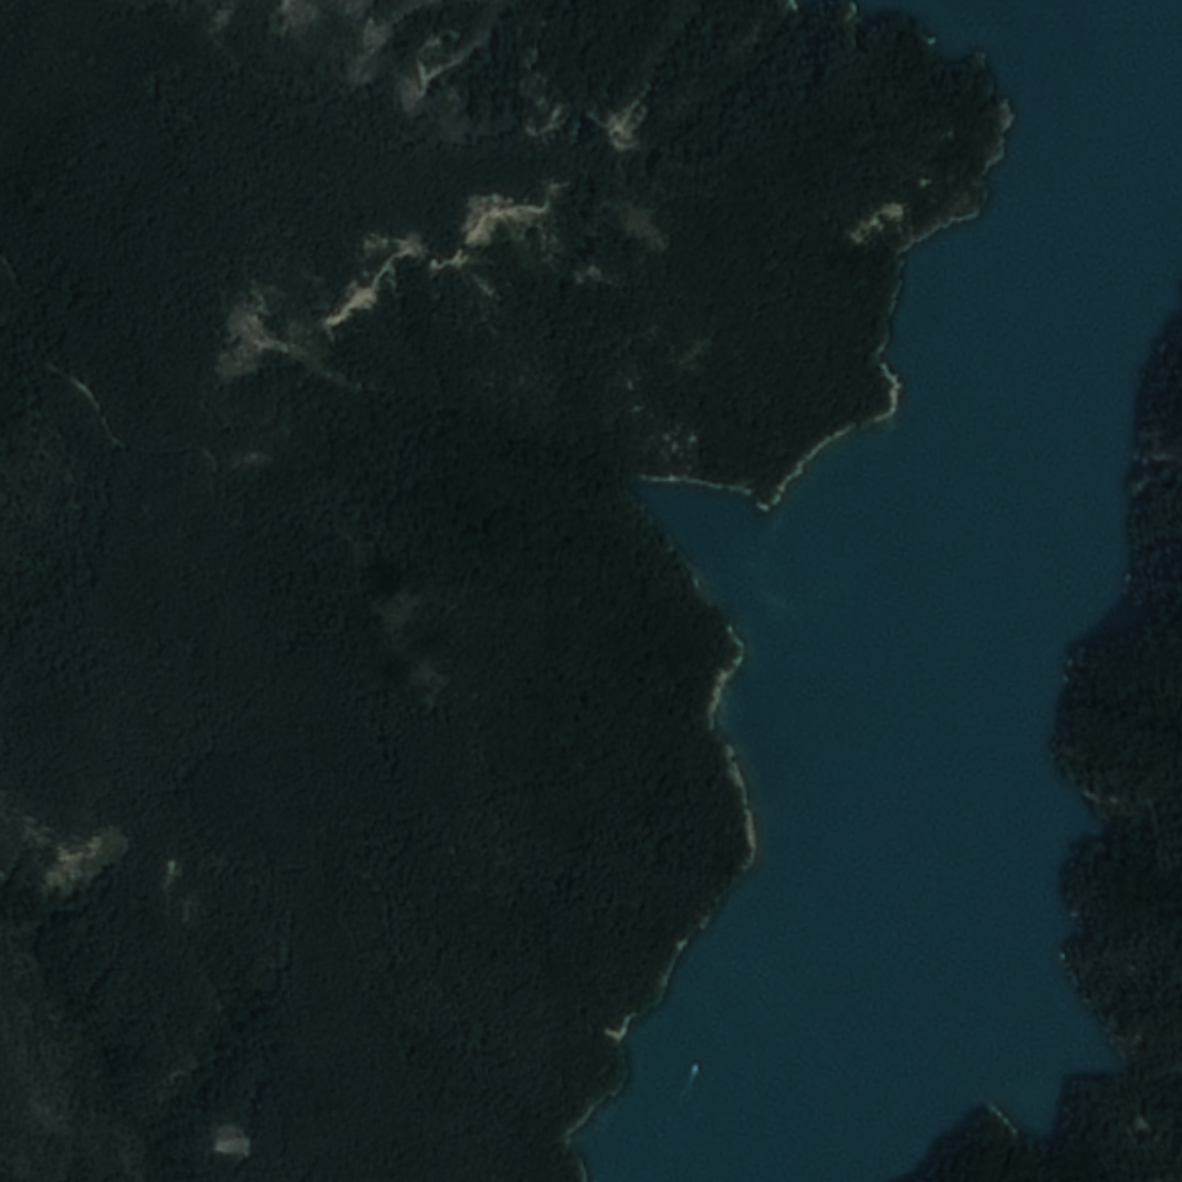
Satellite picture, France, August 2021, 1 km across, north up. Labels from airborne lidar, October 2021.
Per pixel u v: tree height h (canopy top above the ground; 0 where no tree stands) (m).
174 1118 16
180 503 11
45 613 13
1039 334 0
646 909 16
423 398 16
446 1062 12
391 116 9
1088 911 10
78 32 9
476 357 7
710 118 8
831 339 10
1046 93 0
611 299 10
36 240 22
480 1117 9
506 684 12
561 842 14
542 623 8
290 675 15
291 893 15
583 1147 0
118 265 18
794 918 0
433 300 9
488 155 7
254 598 15
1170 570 8
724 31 8
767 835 0
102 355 15
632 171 6
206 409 6
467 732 14
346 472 12
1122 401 0
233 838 20
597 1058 11
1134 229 0
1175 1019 12
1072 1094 10
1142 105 0
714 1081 0
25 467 7
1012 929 0
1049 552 0
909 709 0
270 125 11
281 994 11
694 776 16
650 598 21
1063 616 0
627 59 13
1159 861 11
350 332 10
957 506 0
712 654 16
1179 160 0
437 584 12
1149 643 17
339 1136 8
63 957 18
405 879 14
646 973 13
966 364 0
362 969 11
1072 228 0
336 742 17
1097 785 9
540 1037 9
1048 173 0
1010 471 0
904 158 10
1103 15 0
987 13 0
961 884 0
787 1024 0
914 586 0
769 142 15
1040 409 0
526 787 12
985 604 0
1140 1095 10
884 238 9
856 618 0
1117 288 0
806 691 0
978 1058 0
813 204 13
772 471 9
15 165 18
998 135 7
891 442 0
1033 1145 9
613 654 15
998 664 0
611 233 8
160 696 12
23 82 12
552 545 14
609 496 19
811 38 7
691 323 10
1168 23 0
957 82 14
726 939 0
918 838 0
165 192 14
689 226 11
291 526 13
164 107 15
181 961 10
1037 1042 0
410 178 8
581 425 12
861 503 0
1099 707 22
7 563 9
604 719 17
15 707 7
